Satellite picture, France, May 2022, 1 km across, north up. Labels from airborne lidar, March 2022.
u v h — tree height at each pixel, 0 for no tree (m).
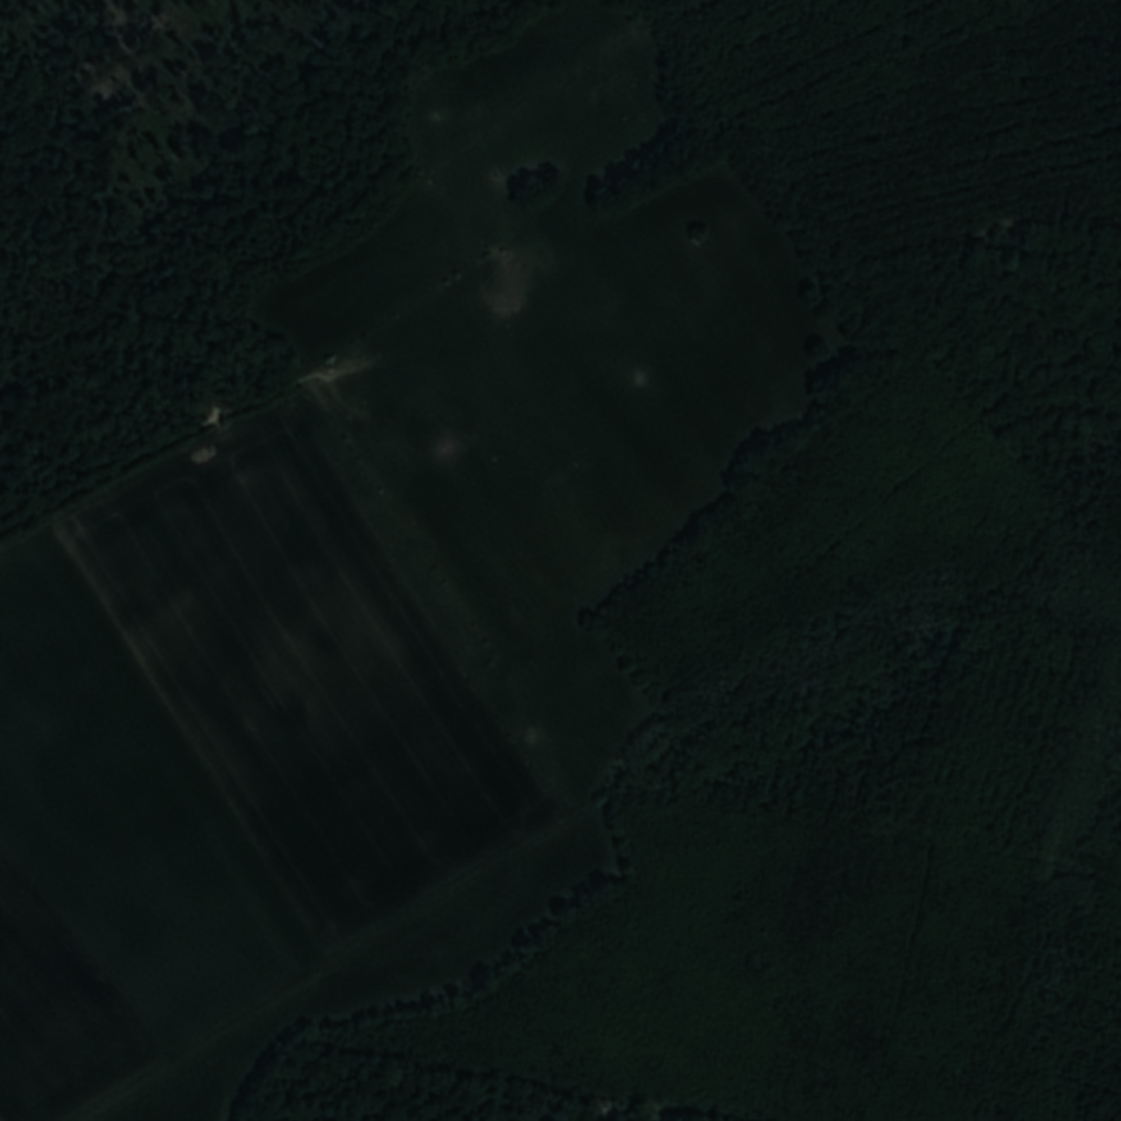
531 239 0
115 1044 0
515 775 0
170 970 0
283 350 17
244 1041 0
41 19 21
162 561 0
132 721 0
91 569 0
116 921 0
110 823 0
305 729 0
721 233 0
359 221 19
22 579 0
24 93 24
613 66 0
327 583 0
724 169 0
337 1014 0
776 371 0
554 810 0
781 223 18
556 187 17
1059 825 21
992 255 22
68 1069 0
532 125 0
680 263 0
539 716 0
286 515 0
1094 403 22
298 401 0
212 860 0
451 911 0
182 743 0
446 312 0
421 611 0
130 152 0
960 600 6
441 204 0
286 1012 0
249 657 0
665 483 0
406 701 0
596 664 0
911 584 14
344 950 0
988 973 12
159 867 0
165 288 27
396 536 0
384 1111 27
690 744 20
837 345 0
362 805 0
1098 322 26
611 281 0
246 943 0
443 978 0
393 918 0
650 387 0
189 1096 0
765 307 0
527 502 0
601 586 0
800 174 17
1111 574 17
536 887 0
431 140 0
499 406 0
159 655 0
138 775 0
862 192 17
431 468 0
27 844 0
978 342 23
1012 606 15
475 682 0
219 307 22
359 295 0
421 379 0
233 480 0
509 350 0
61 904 0
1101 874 14
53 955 0
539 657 0
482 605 0
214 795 0
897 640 13
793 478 15
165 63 0
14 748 0
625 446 0
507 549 0
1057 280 26
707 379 0
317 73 24
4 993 0
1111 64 20
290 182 23
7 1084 0
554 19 0
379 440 0
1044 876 17
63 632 0
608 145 0
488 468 0
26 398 27
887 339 24
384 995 0
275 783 0
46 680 0
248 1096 18
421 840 0
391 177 22
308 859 0
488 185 0
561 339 0
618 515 0
